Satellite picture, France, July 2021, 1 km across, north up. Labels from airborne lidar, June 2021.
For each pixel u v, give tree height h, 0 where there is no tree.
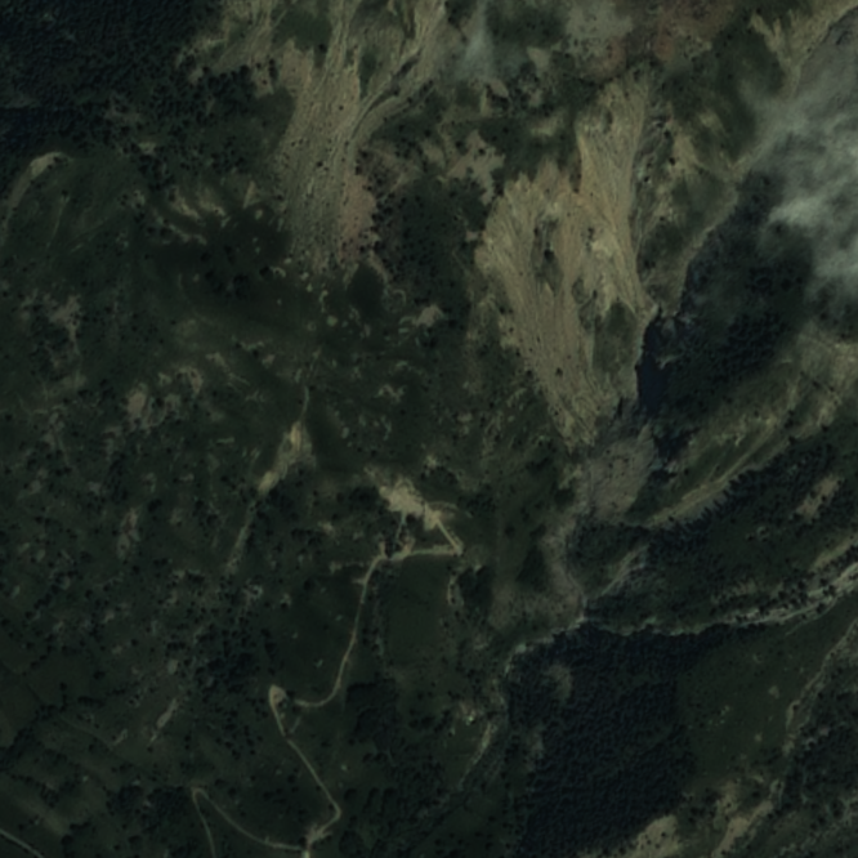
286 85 0
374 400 0
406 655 0
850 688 0
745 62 0
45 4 11
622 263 0
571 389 0
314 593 9
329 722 0
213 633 11
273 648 18
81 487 0
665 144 0
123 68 11
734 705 0
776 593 0
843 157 0
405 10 0
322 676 0
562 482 0
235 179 0
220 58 0
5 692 0
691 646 12
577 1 0
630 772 10
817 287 0
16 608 0
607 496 0
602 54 0
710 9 0
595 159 0
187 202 0
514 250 0
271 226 0
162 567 9
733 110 0
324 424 0
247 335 0
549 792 13
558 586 0
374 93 0
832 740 10
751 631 8
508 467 0
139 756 0
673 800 8
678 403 8
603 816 14
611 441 0
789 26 0
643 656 10
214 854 0
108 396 6
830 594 6
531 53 0
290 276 0
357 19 0
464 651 10
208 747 0
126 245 0
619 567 0
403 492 0
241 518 0
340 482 0
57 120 16
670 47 0
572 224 0
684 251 0
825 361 0
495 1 6
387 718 19
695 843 0
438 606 0
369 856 9
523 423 0
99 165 0
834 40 0
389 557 12
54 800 13
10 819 0
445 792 6
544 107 6
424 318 0
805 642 0
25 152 12
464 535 0
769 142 0
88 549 0
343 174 0
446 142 0
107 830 0
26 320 0
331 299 0
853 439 0
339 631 0
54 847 0
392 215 10
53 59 11
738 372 9
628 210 0
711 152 0
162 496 0
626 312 0
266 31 0
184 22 12
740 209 0
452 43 0
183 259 0
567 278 0
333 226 0
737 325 7
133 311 0
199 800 0
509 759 14
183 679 7
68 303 0
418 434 0
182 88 11
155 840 12
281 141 0
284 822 0
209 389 0
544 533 6
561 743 12
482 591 14
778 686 0
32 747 9
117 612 8
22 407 0
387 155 0
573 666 7
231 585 7
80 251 0
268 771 0
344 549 0
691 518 0
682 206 0
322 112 0
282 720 0
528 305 0
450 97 0
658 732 8
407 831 7
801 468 12
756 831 0
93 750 11
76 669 0
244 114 12
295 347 0
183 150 10
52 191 0
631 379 0
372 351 0
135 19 11
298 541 9
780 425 0
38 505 0
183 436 0
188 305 0
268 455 0
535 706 14
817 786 8
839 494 7
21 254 0
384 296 0
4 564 9
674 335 0
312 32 0
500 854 0
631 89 0
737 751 0
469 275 0
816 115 0
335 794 0
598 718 12
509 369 0
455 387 0
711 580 13
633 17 0
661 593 7
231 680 14
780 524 16
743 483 14
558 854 9
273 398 0
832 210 0
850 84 0
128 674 0
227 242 0
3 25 7
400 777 16
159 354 0
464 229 0
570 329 0
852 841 0
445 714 7
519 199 0
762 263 12
